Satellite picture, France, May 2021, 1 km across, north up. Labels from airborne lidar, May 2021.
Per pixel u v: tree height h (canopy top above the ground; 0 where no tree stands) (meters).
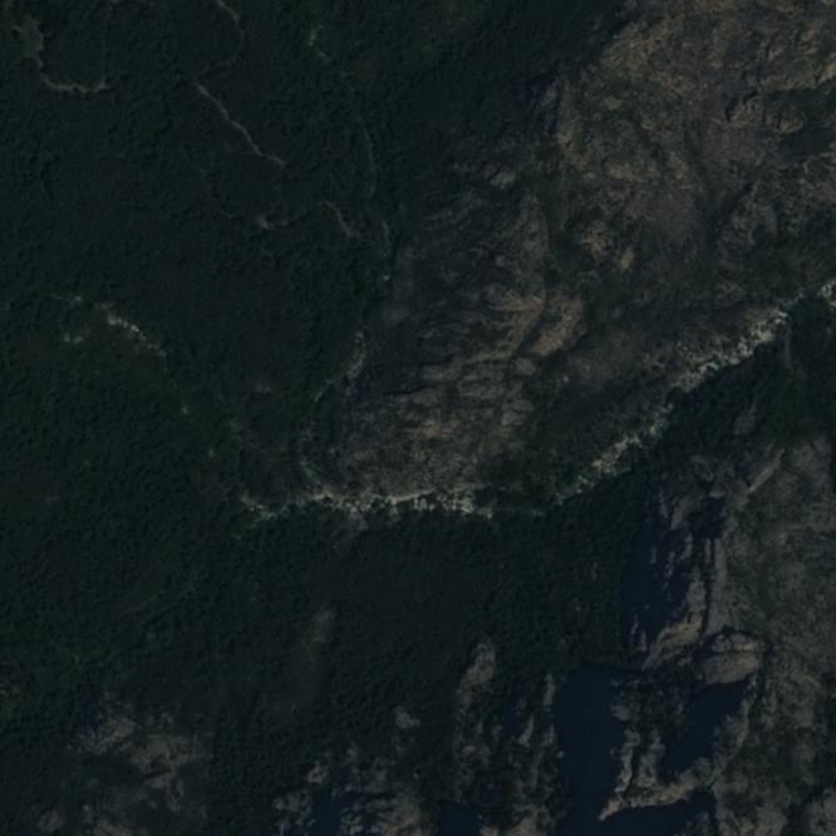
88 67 26
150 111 24
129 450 10
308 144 22
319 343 25
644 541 5
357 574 23
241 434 9
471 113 5
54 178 24
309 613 7
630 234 6
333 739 17
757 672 9
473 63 19
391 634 24
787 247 22
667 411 0
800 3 9
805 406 9
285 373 20
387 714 8
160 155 21
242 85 23
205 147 24
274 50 25
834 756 20
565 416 8
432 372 0
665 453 15
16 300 11
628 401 18
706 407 25
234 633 16
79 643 17
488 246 8
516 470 9
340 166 23
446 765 10
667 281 15
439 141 17
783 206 15
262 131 23
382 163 14
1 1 20
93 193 22
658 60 13
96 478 8
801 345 8
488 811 12
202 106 21
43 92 21
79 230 22
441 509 9
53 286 13
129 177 22
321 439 19
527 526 18
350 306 24
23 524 17
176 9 21
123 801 0
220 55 20
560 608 11
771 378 18
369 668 21
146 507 7
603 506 16
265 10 22
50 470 13
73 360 6
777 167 16
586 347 18
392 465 6
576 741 16
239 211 22
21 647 27
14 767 23
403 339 6
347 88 26
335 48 7
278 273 24
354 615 20
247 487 8
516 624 18
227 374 23
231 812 14
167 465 16
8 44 27
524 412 6
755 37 10
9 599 18
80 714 10
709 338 16
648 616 20
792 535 7
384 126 16
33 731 11
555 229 9
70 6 18
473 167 6
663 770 12
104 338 6
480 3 8
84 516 8
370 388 9
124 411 14
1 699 20
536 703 12
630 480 13
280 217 22
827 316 12
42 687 25
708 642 10
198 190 24
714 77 17
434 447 10
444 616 24
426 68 12
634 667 13
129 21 23
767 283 5
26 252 17
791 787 12
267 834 8
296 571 18
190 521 20
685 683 24
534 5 19
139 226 23
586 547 14
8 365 12
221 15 21
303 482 19
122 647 16
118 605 19
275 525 10
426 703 6
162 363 14
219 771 14
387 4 19
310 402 9
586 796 8
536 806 11
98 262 19
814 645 6
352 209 18
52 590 16
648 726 18
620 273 15
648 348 20
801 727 24
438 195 7
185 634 9
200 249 24
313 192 22
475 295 0
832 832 7
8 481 9
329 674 6
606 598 7
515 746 10
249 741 18
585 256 6
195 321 21
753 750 6
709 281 12
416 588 22
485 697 15
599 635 9
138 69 26
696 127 19
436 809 11
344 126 20
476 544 16
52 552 19
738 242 8
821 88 15
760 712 16
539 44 16
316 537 22
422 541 7
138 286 15
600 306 14
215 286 24
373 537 22
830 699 10
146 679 8
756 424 7
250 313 27
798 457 0
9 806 25
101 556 18
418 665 22
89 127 20
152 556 16
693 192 18
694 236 16
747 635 8
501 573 17
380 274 18
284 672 10
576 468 15
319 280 20
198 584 20
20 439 11
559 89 7
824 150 11
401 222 11
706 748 7
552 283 6
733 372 24
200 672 8
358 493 19
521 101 6
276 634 6
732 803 10
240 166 24
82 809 8
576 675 14
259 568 18
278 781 18
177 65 20
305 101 7
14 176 22
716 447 11
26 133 18
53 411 7
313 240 20
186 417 7
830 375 19
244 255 24
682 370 17
